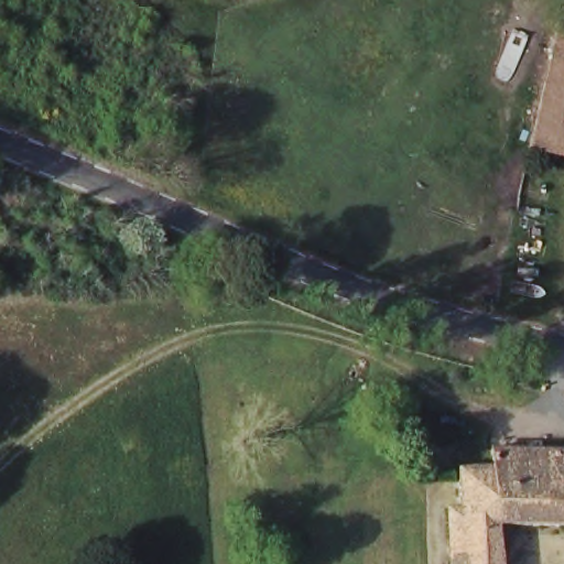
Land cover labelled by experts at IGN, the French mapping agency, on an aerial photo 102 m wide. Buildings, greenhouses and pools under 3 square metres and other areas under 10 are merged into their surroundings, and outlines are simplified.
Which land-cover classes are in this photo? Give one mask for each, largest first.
<instances>
[{"label":"herbaceous vegetation","instance_id":"1","mask_svg":"<svg viewBox=\"0 0 564 564\"><path fill-rule=\"evenodd\" d=\"M207 4H220L212 44V62L216 64V68H229L238 84H242L245 88H258L273 97L275 108L269 115V119L260 126V132L264 139L271 137L282 145V163L275 170H267L256 176H242L218 170L212 181L205 178L185 183L178 200H187L205 212L218 214L234 223L245 220L249 216H273L282 225V234L291 238L293 245H297L304 253H315L344 269L357 271L366 278H379L388 284H403V280H412L419 286V297L425 300L430 308H436L441 315H445L449 308L465 306L494 311L498 315L509 317L511 308L520 306L529 319H535L544 326L560 322L564 333V156L527 143L531 139V121L527 110L533 106L540 90V73L544 71L546 62L549 37V33L542 26V20L529 15L533 0H203ZM304 289L293 286L284 297H271L264 304V308L242 315L253 326V333L214 337L198 346L178 350L176 355H170L167 359L148 366L145 370L128 377L117 388L101 394L97 401L86 405L68 421H64L48 436H44L42 443L33 447H22L15 445L18 436H22L33 423H37L51 408L64 403L90 381L110 372L126 357L143 348H150L167 337L181 335L183 330L225 322L229 315L220 311L187 308L181 302L167 304L163 308L154 304H134V297L130 295L110 300L106 304H95L90 297L53 302L46 295H0V564H62L68 551L90 535H128L134 564H229V524L223 522V505L227 500H238L240 505H256L262 513L273 516L278 524L284 529L286 542L300 544V555L291 564H427V485L401 482L397 478L394 467L375 454V445H368L364 438H355L350 430L339 427V419L346 416V403L355 399L357 390L361 394H368L383 383H399L419 401L416 419L430 447V458L436 467V482L456 480L460 478V467L465 465H489L491 447L494 441H498L496 427L487 423L478 412H485L487 408H500L491 399L489 390L480 386V381L474 375L467 381H460L458 377V370L463 368L474 370V364L480 359L487 344L485 337L449 339L445 335V339L436 344L432 350H410L405 346L397 355L414 368L412 375L401 377L392 370H386V355L370 344L364 346L361 335L355 344L372 355V361L366 366L364 361H355L353 355L333 346L273 335V330H278L280 319L333 330V324L339 319V311L348 302H344L337 295L333 302H326L322 311L302 308L297 295ZM251 394H264L269 401L275 403V410L295 408L304 414V419L300 421L304 432L282 438L289 445V454L280 460L267 458L269 478L264 491L258 487V476L249 467L236 465L238 454L234 449L220 447L223 441H234V436L238 434L234 416L245 408V401ZM542 383L551 386V375L546 372L544 381L516 377L513 386L518 388V392L507 405L527 408V403H531L538 397Z\"/></svg>","mask_w":564,"mask_h":564},{"label":"deciduous trees","instance_id":"2","mask_svg":"<svg viewBox=\"0 0 564 564\"><path fill-rule=\"evenodd\" d=\"M11 9L33 13L40 20L42 31L37 35H29L20 24H13L9 20L0 22V57L4 55L18 68V73L31 71L33 79H42L48 68H55L62 82L73 79L77 75V66L66 62V57L59 53L62 40L57 18L68 15L71 20H79V0H9ZM152 0H117L110 7V11H123L126 15L117 24L119 37L115 40V51H123L130 42H141L143 35L152 29V22L159 18L156 9H152ZM529 15L542 20V26L549 33V37L560 33L564 35V0H533ZM139 93L134 88L126 90L123 99L112 90L101 88L95 101L101 128L97 132L93 130L86 134L88 145L95 143V139L104 145L97 152L101 161L108 156V150H115L119 143L128 148L139 132L150 141H156L165 134H174V154L187 150L194 130L178 123V108L174 104L167 110L143 108L141 112H137ZM260 245L258 236L231 240L218 231H200L174 245L165 238V229L150 216L123 223L110 203H99L88 192H75L55 181H46L44 176L29 174V170L15 167L0 159V295H46L53 302L90 297L95 304H106L110 300L130 295L134 297V304H154L163 308L167 304L181 302L187 308L220 311L229 315H242L264 308V304L271 297H284L293 286L273 278V273L264 267L262 251L256 249ZM337 295V282H311L304 289L297 295L302 308L322 311L326 302H333ZM430 308L425 300L419 297L405 300L403 304L390 308H379L375 297H359L348 302L339 311V319L341 324H348L361 335L364 346L370 344L386 355H397L405 346L410 350H432L436 344L445 339V319L436 322L430 330L423 333L410 330L412 319L425 317ZM560 348L546 341L544 337H535L524 324L516 328H500L496 333L494 344H487L480 359L474 364V370L463 368L458 370V377L460 381H467L474 375L480 381V386L489 390L491 399L500 408L507 405L518 392V388L513 386L516 377L544 381L546 372L544 366L557 357ZM419 401L399 383H383L368 394H361L357 390L355 399L346 403V416L339 419V427L350 430L355 438H364L368 445H375V454L394 467L397 478L401 482L427 485L436 482V467L430 458V447L416 419ZM304 419V414L295 408L275 410V403L269 401L264 394H251L245 401V408L234 416L238 434L234 436V441H223L220 447L234 449L238 454L236 465L249 467L258 476V487L264 491L269 478L267 458L280 460L289 454V445L282 438L304 432L300 421ZM223 522L229 524V564H291L300 555V544L286 542L284 529L278 524L273 516L262 513L256 505H240L238 500H227L223 505ZM62 564H134L128 535H90L68 551Z\"/></svg>","mask_w":564,"mask_h":564},{"label":"brushwood","instance_id":"3","mask_svg":"<svg viewBox=\"0 0 564 564\"><path fill-rule=\"evenodd\" d=\"M117 0H79V20H71L68 15L57 18L62 40L59 53L66 57V62L77 66V75L73 79L62 82L55 68H48L42 79H33L31 71L18 73V68L4 55L0 57V128L22 126L26 130H40L55 143H62L68 150L99 163L101 161L97 152L104 145L95 139V143L88 145L86 134L93 130L97 132L101 128L95 101L101 88L112 90L123 99L126 90L134 88L139 93L137 112H141L143 108L167 110L174 104L170 90L176 84H187L192 88L207 86L203 68L212 62V44L220 4H207L203 0H152V9H156L159 18L152 22V29L143 35L141 42H130L123 51H115V40L119 37L117 24L126 15L123 11H110V7Z\"/></svg>","mask_w":564,"mask_h":564},{"label":"impervious surface","instance_id":"4","mask_svg":"<svg viewBox=\"0 0 564 564\"><path fill-rule=\"evenodd\" d=\"M0 159L15 167L29 170V174L44 176L46 181H55L75 192H88L99 203H110L123 223L150 216L165 229V238L174 245L200 231H218L231 240L258 236L260 245L256 249L262 251L264 267L273 273V278L293 286L304 289L311 282H337V295L344 302H348L359 297H375L379 308H390L403 304L405 300L419 297V286L412 280H403V284H388L379 278H366L357 271L344 269L315 253H304L297 245H293L291 238L282 234V225L273 216H249L245 220L234 223L218 214L205 212L187 200H178L159 194L145 185L132 183L123 174H117L115 170H108L99 163L68 150L62 143H55L40 130H26L22 126L0 128ZM445 319V335L449 339L485 337L487 344H494L496 333L500 328H516L524 324L535 337H544L546 341L560 348L557 357L544 366L546 372L551 375H564V333L560 322L544 326L535 319H529L520 306L511 308L509 317L498 315L494 311L465 306L449 308L445 315H441L436 308H430L425 317L412 319L410 330L423 333L430 330L436 322Z\"/></svg>","mask_w":564,"mask_h":564},{"label":"pervious surface","instance_id":"5","mask_svg":"<svg viewBox=\"0 0 564 564\"><path fill-rule=\"evenodd\" d=\"M253 333V326L242 315H229L225 322L183 330L181 335L167 337L150 348H143L126 357L110 372L90 381L64 403L51 408L37 423H33L22 436H18L15 445L22 447H33L42 443L44 436H48L64 421H68L86 405L97 401L101 394L117 388L128 377L145 370L148 366L167 359L170 355H176L178 350L198 346L214 337ZM273 335L333 346L353 355L355 361H364L366 366L372 361V355L355 344L361 335L348 324H341L339 319L333 324V330L280 319L278 330H273ZM386 370H392L401 377L412 375L414 368L397 355H386ZM487 423L496 427L498 441H494L491 447L500 456H509V452L516 447L564 449V375H551V386L542 383L538 397L531 403H527V408L507 405L500 408H487L485 412H478ZM460 489L456 480L436 482L427 485V564H452L449 511H465V505L458 502ZM502 533L507 564H564V527L505 524Z\"/></svg>","mask_w":564,"mask_h":564},{"label":"clear cut","instance_id":"6","mask_svg":"<svg viewBox=\"0 0 564 564\"><path fill-rule=\"evenodd\" d=\"M9 20L13 24H20L29 35H37L42 31L40 20L33 13L11 9L9 0H0V22ZM207 86L192 88L187 84H176L170 90L174 104L178 108V123L194 130L187 150L174 154V134H165L156 141H150L139 132L128 148L119 143L115 150H108V156L101 161L99 163L108 170H115L117 174H123L132 183L145 185L159 194L178 200L185 183L205 178L212 181L218 170L242 176H256L267 170H275L282 163V145L271 137L264 139L260 132V126L269 119V115L275 108L273 97L258 88H245L242 84H238L229 68H216V64L212 62L203 68Z\"/></svg>","mask_w":564,"mask_h":564},{"label":"building","instance_id":"7","mask_svg":"<svg viewBox=\"0 0 564 564\"><path fill-rule=\"evenodd\" d=\"M531 121V139L527 143L564 156V35L560 33L549 37L546 62L544 71L540 73V90L533 106L527 110ZM489 465H465L460 467V478L456 480L460 489L458 502L465 505V511H449L452 564H507L502 533L505 524L564 527V449L516 447L509 452V456H500L491 447Z\"/></svg>","mask_w":564,"mask_h":564}]
</instances>
